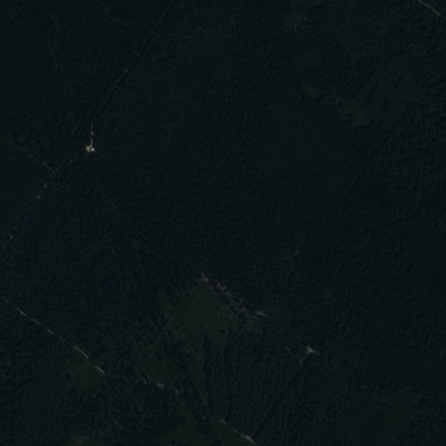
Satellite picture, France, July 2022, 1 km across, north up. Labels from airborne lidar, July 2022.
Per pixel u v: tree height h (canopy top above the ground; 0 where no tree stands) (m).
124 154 20
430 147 17
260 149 19
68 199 20
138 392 33
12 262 14
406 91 28
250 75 18
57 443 27
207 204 24
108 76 18
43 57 18
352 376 15
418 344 28
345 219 15
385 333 25
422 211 11
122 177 25
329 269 11
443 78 20
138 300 23
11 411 7
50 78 17
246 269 26
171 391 23
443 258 17
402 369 15
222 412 21
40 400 33
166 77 18
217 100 15
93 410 24
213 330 0
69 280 21
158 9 17
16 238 15
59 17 6
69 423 28
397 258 20
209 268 20
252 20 11
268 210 21
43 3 14
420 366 18
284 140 17
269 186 27
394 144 23
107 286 28
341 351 27
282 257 20
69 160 16
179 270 28
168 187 18
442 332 22
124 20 22
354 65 19
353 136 13
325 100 25
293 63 16
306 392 30
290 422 22
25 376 17
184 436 0
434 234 13
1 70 16
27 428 28
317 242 11
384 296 27
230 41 17
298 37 16
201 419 21
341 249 18
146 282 23
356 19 16
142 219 19
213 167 25
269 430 37
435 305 20
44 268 24
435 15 24
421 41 23
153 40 19
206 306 0
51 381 32
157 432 19
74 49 15
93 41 19
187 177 20
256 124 16
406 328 23
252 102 24
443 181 16
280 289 24
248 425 33
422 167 12
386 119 21
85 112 28
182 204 19
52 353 30
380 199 17
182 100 20
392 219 16
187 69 16
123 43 18
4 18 16
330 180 19
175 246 16
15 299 23
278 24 11
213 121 15
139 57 12
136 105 17
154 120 17
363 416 26
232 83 18
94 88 20
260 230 22
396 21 14
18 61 17
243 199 17
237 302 27
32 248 21
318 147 19
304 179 19
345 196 15
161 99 17
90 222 18
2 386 14
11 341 16
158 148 21
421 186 23
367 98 21
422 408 20
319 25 19
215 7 14
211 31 17
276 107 17
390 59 28
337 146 19
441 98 19
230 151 24
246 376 30
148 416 15
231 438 0
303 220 17
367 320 24
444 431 23
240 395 36
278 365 37
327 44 20
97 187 20
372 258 22
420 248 18
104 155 21
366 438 20
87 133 17
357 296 27
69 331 32
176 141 21
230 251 16
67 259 16
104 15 21
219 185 19
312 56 21
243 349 30
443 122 22
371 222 13
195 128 20
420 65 18
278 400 33
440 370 16
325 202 17
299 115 21
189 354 26
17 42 16
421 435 18
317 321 15
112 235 22
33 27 16
